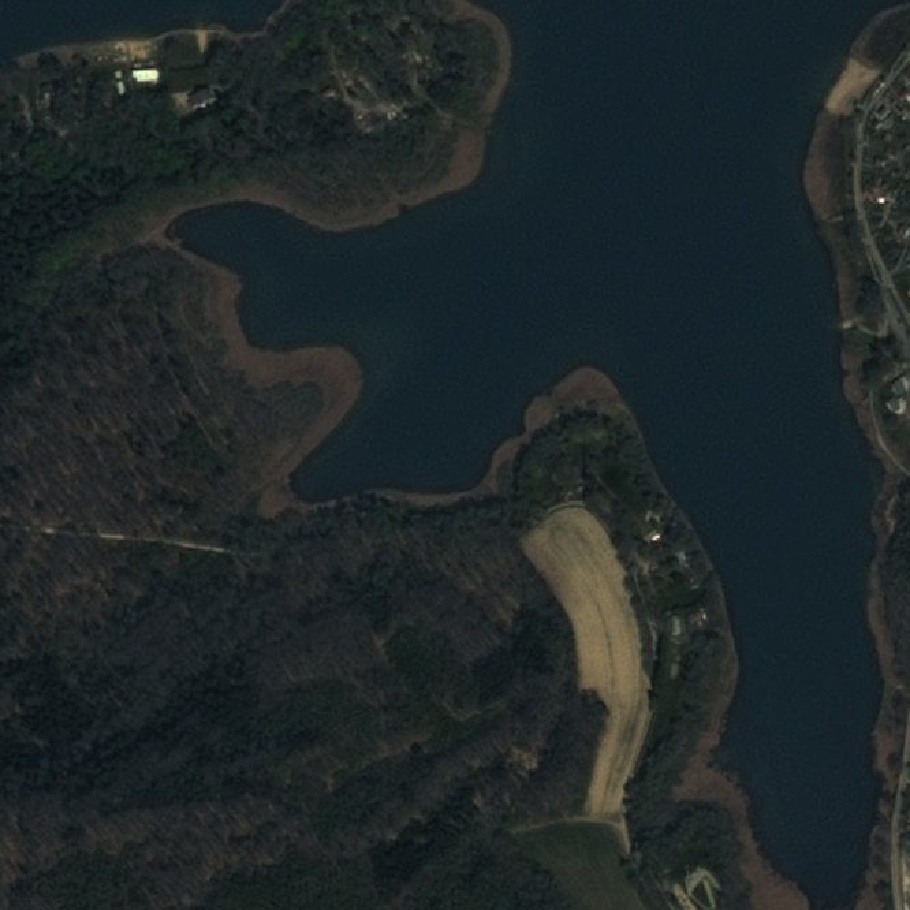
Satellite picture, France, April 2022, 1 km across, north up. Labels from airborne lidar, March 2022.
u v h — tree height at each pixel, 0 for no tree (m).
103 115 23
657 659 13
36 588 33
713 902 0
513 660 20
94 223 31
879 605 0
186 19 0
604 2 0
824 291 0
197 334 26
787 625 0
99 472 35
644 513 0
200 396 29
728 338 0
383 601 29
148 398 29
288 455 0
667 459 0
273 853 27
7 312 27
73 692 17
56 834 32
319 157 27
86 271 22
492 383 0
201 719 27
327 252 0
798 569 0
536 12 0
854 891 0
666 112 0
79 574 29
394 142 23
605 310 0
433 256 0
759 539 0
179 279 25
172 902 25
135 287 31
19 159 0
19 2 0
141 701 31
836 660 0
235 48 8
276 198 0
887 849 21
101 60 0
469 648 33
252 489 12
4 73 25
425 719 10
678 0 0
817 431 0
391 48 25
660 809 7
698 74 0
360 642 29
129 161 31
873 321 21
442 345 0
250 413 25
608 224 0
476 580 30
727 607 0
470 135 0
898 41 0
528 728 30
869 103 0
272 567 31
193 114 0
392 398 0
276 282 0
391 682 16
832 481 0
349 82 0
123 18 0
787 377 0
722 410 0
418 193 0
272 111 34
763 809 0
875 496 0
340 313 0
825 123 0
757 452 0
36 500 31
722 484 0
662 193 0
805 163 0
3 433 29
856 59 0
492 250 0
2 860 32
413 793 25
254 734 25
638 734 0
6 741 19
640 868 20
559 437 18
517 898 17
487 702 19
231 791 25
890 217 0
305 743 23
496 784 24
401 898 13
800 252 0
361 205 15
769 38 0
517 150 0
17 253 36
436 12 26
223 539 19
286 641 36
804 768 0
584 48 0
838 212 0
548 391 0
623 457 13
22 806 35
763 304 0
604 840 0
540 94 0
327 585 34
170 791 27
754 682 0
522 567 37
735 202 0
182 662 38
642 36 0
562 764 30
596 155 0
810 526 0
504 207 0
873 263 0
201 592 31
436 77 25
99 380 32
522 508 26
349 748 23
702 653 16
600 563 0
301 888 10
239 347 0
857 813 0
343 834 19
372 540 31
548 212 0
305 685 30
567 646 22
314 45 17
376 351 0
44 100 7
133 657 35
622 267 0
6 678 12
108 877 15
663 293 0
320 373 0
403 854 20
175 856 28
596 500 24
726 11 0
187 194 29
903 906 0
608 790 0
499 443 0
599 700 20
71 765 35
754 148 0
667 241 0
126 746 35
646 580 11
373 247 0
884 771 0
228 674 33
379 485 0
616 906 0
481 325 0
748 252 0
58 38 0
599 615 0
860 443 0
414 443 0
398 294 0
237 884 11
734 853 23
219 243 0
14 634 13
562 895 15
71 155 27
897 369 16
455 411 0
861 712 0
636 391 0
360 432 0
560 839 0
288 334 0
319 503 0
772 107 0
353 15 24
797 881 0
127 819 26
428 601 29
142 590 25
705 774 0
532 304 0
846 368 0
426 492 0
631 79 0
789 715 0
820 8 0
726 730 0
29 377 35
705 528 0
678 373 0
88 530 30
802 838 0
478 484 0
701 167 0
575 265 0
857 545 0
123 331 29
